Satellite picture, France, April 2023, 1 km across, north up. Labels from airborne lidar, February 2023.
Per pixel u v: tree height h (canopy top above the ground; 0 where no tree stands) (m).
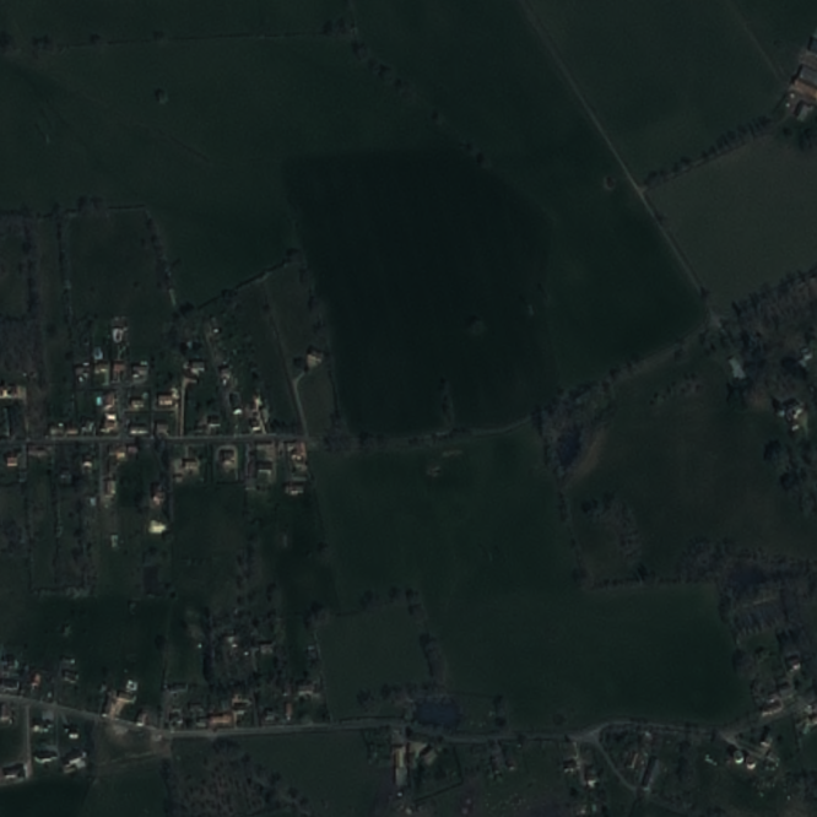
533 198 0
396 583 0
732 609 15
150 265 0
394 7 0
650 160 0
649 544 0
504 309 0
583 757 0
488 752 14
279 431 17
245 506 7
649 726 13
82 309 0
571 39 0
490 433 0
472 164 0
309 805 12
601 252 0
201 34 0
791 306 20
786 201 0
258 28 0
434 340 0
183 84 0
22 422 10
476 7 0
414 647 0
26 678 7
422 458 0
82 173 0
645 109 0
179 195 0
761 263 0
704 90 0
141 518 17
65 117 0
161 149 0
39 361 10
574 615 0
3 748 0
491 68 0
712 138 0
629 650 0
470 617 0
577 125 0
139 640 0
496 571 0
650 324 0
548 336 0
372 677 0
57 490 8
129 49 0
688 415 0
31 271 12
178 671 0
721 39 0
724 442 0
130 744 0
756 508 0
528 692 0
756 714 0
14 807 0
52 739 0
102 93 0
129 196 0
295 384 0
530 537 0
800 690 14
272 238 0
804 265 0
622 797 0
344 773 0
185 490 0
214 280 0
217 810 9
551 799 0
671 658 0
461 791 0
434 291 0
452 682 0
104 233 0
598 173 0
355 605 0
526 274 0
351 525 0
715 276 0
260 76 0
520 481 0
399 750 0
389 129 0
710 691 0
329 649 0
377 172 0
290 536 0
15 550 16
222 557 0
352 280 0
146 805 0
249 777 21
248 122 0
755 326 25
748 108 0
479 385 0
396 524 0
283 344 0
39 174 0
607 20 0
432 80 0
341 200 0
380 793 0
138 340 0
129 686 0
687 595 0
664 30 0
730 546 14
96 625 0
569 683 0
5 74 0
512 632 0
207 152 0
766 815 0
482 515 0
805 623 23
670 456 0
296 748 0
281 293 0
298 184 0
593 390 16
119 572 0
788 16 0
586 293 0
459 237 0
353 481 0
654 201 0
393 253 0
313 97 0
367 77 0
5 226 15
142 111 0
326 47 0
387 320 0
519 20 0
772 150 0
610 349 0
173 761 0
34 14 0
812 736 0
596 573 0
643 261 0
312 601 0
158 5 0
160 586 7
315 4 0
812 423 0
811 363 0
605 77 0
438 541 0
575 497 0
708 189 0
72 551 0
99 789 0
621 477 0
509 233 0
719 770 0
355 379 0
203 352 13
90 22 0
